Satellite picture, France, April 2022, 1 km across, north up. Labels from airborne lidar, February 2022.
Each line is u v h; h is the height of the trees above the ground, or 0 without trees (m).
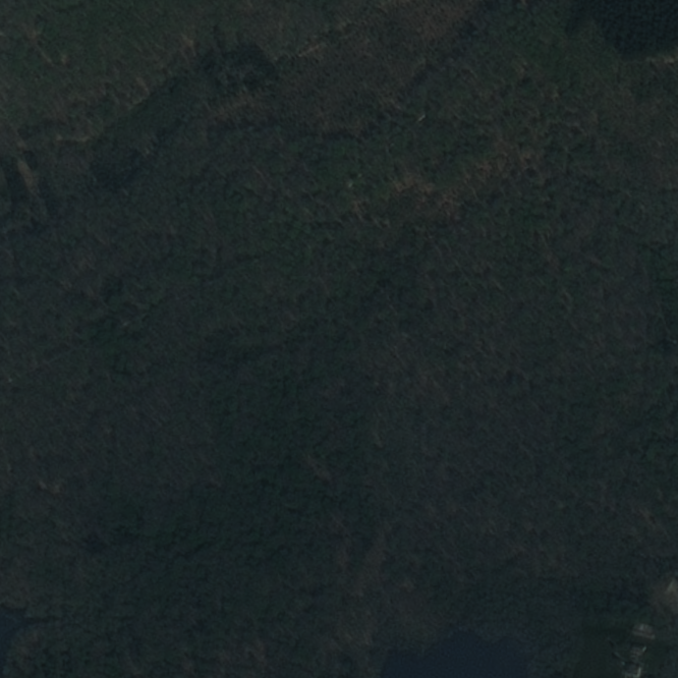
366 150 25
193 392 30
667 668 14
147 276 26
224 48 25
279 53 20
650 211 23
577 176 27
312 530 29
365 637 0
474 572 26
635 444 13
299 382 29
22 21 20
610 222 29
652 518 0
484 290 24
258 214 17
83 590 28
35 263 32
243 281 29
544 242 24
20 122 29
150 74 29
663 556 26
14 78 28
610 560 27
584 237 29
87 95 28
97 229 34
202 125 26
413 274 29
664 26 31
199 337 25
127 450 24
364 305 17
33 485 29
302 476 21
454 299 31
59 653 29
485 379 22
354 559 25
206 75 19
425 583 26
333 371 30
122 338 28
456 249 27
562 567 23
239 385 28
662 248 10
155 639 23
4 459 30
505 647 0
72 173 24
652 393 26
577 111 25
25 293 30
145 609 23
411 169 29
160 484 26
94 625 21
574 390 25
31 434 30
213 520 26
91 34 25
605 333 26
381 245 14
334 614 24
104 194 25
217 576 24
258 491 20
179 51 25
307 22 21
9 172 24
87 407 25
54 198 28
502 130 29
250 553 10
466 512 28
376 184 26
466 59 26
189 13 31
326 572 30
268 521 20
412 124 23
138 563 28
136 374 20
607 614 21
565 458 21
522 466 24
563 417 22
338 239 25
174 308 28
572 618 22
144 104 7
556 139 19
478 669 0
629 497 25
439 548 25
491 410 24
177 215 27
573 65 21
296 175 21
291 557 25
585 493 23
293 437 29
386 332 29
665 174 22
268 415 31
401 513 22
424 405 24
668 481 29
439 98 26
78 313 29
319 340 30
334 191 27
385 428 20
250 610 29
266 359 27
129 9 27
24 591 22
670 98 18
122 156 19
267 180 24
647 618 21
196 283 25
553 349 25
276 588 30
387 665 0
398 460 16
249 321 27
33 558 25
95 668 27
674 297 20
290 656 31
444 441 25
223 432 25
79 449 30
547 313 20
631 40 22
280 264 27
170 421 28
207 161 24
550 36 28
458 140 29
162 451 29
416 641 15
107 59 31
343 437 29
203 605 26
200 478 25
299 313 27
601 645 0
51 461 26
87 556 26
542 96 29
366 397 29
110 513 31
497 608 19
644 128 19
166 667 25
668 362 23
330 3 21
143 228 25
